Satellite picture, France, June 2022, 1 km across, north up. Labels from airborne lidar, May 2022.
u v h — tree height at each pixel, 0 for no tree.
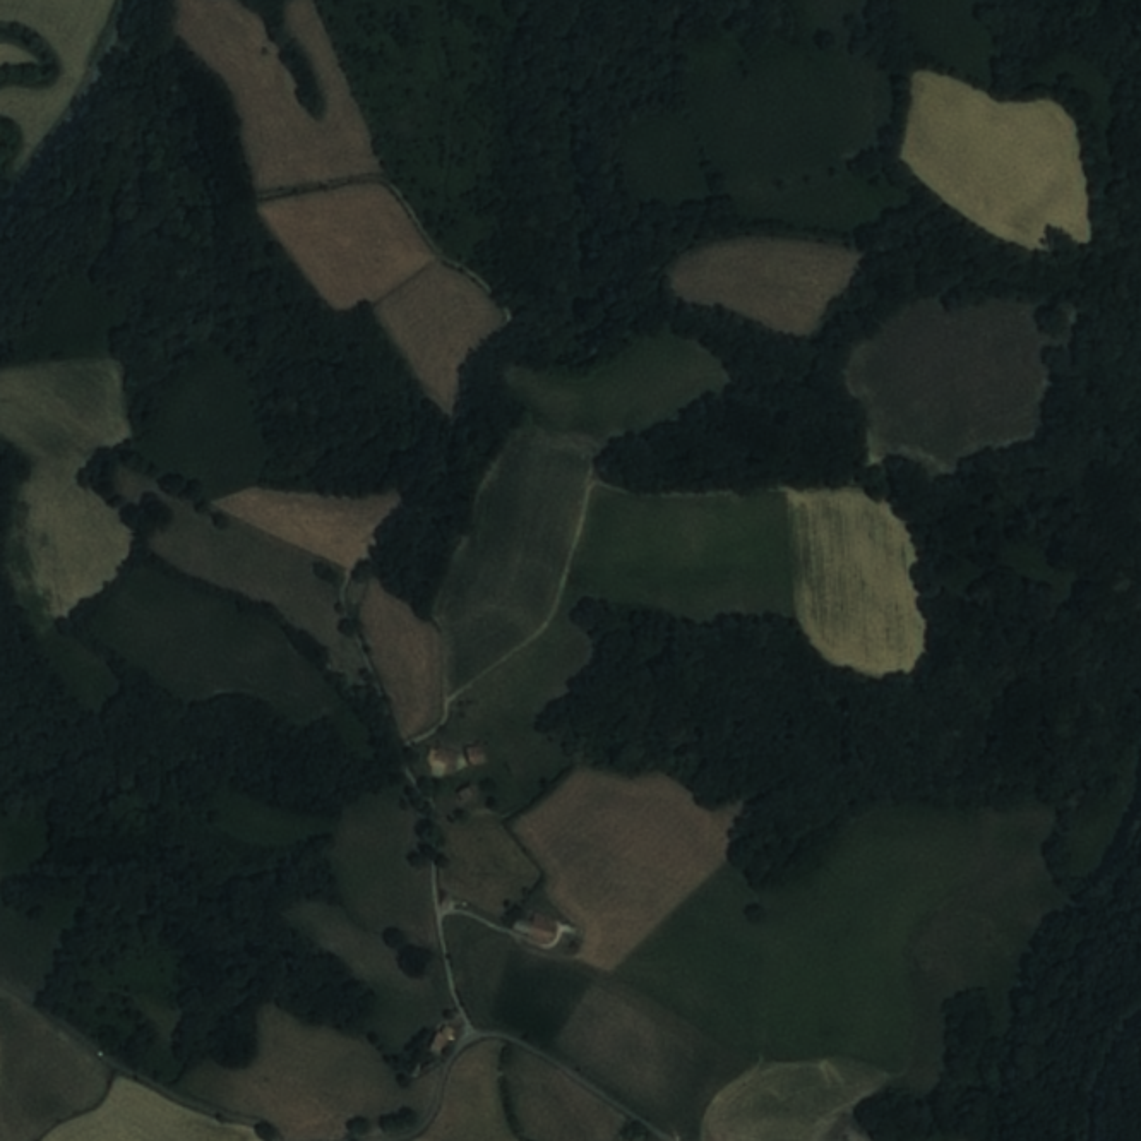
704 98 0
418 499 19
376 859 0
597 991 0
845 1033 0
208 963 23
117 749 17
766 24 20
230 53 0
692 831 0
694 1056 0
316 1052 0
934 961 0
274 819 0
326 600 0
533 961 0
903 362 0
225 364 0
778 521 0
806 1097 0
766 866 21
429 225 6
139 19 17
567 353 8
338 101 0
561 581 0
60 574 0
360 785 20
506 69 14
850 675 17
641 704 23
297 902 10
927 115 0
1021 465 23
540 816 0
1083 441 26
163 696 14
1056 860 19
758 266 0
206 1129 0
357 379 10
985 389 0
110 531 0
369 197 0
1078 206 0
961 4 0
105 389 0
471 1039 0
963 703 26
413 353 0
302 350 14
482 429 16
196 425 0
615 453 17
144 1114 0
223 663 0
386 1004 0
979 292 17
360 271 0
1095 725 29
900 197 0
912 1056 0
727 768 24
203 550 0
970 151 0
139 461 18
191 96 18
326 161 0
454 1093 0
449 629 0
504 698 0
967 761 24
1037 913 0
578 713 24
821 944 0
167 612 0
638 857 0
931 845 0
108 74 17
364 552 0
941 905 0
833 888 0
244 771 24
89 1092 0
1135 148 18
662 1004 0
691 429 18
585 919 0
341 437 21
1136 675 27
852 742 29
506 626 0
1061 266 10
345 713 0
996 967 0
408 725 0
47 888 18
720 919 0
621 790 0
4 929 0
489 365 12
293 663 0
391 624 0
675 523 0
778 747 25
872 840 0
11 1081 0
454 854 0
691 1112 0
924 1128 20
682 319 20
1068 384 26
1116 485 22
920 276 19
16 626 19
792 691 29
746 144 0
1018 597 22
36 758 28
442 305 0
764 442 26
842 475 20
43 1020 0
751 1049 0
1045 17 19
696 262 0
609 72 14
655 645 29
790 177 0
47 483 0
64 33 0
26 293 18
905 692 25
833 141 0
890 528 0
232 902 27
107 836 9
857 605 0
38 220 25
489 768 0
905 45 19
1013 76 19
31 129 0
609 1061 0
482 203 7
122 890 28
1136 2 25
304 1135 0
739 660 24
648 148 0
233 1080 0
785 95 0
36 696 9
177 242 32
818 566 0
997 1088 10
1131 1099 26
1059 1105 22
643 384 0
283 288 14
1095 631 24
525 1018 0
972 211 0
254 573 0
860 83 0
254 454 0
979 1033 20
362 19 8
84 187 11
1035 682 25
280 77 0
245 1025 18
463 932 0
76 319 0
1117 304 18
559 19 23
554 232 20
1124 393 31
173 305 27
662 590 0
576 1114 0
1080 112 14
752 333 21
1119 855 21
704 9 23
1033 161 0
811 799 24
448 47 7
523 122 14
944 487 23
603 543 0
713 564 0
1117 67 17
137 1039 10
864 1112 19
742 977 0
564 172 14
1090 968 27
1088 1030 17
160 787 22
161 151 26
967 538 31
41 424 0
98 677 0
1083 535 25
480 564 0
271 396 8
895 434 0
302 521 0
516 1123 7
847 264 0
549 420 0
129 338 12
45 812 12
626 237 18
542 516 0
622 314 22
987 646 26
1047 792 23
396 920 0
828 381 27
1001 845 0
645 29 18
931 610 23
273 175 0
